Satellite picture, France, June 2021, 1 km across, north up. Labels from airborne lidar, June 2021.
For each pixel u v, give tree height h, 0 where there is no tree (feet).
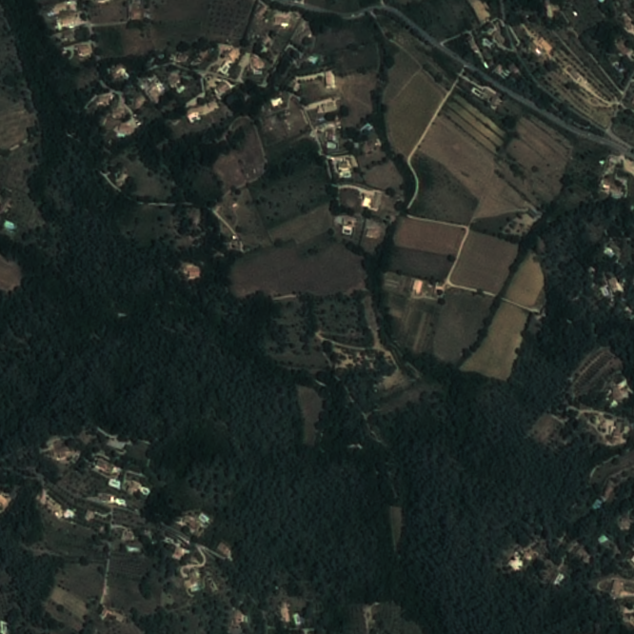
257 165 0
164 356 25
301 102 25
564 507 54
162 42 0
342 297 30
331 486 47
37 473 26
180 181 48
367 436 43
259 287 0
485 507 54
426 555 52
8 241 49
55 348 57
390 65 32
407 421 58
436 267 0
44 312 64
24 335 64
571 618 70
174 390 59
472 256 0
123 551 30
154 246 53
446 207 0
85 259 36
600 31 56
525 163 0
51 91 45
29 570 51
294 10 30
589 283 59
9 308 30
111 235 33
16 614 30
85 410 62
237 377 56
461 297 0
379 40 34
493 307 28
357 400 41
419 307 0
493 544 71
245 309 53
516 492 58
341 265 0
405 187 25
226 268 50
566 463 58
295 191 0
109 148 28
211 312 47
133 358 61
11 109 0
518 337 0
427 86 0
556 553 56
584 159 60
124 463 37
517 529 60
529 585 58
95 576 0
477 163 0
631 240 64
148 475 38
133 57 18
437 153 0
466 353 47
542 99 41
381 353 21
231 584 22
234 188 35
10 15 39
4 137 0
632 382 43
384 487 55
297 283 0
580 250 60
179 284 49
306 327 37
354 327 26
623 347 63
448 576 53
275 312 44
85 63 32
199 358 60
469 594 59
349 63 0
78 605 0
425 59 0
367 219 29
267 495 62
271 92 27
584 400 42
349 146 33
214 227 52
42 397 52
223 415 26
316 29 47
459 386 54
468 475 40
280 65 37
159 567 39
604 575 31
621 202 55
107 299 32
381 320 39
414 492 56
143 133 31
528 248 43
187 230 35
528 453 43
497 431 58
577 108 0
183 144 44
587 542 64
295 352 26
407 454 61
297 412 46
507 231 32
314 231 0
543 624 58
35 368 34
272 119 0
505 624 64
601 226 66
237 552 25
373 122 37
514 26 52
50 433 60
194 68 28
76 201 46
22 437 56
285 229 0
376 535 72
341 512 35
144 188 0
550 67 65
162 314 31
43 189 43
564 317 68
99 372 61
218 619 34
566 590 66
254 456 38
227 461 59
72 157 24
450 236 0
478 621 72
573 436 69
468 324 0
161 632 39
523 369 40
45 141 41
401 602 47
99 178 22
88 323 23
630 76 29
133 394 67
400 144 0
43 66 51
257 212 0
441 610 67
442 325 0
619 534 47
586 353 48
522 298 0
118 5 0
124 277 46
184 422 70
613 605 50
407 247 0
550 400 34
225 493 47
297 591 35
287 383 27
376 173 0
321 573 62
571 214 53
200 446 44
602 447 37
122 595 0
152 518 43
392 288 0
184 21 0
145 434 45
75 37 22
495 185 0
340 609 24
